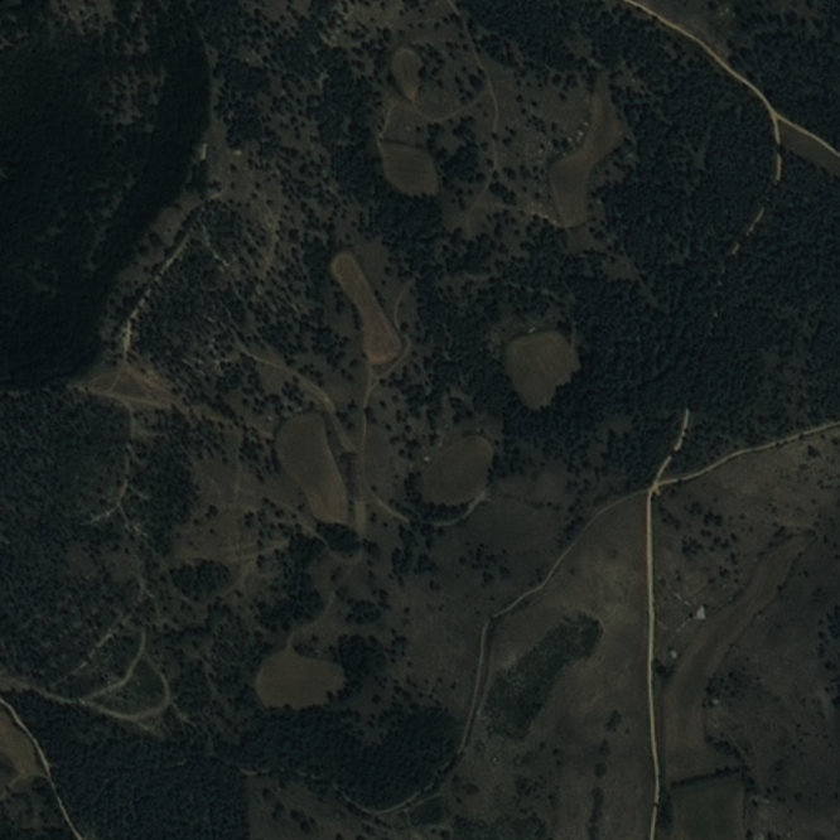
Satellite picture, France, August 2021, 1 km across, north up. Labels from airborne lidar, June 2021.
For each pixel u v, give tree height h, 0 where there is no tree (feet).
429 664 0
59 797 49
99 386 0
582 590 0
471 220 0
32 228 27
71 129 36
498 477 29
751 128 43
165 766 33
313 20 34
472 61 0
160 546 39
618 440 46
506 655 0
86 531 24
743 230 38
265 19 23
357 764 21
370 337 0
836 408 32
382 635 0
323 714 22
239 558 0
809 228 32
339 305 31
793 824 0
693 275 49
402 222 40
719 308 40
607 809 0
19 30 26
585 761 0
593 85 25
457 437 0
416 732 25
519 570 0
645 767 0
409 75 0
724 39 0
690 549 22
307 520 0
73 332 40
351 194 37
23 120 37
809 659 0
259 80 42
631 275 0
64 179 20
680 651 0
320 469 0
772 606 0
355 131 46
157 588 35
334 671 0
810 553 0
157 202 32
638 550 0
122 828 42
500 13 43
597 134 0
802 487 0
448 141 0
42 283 30
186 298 40
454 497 0
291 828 0
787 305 32
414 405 35
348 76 33
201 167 22
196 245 34
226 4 52
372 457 0
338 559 0
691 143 22
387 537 0
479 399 36
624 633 0
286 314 38
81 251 18
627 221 46
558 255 42
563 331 44
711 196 51
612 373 47
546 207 0
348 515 0
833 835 0
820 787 0
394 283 0
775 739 0
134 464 28
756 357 32
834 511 0
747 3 69
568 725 0
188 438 37
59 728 33
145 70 34
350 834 0
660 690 0
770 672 0
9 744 0
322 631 0
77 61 26
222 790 44
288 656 0
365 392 0
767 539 0
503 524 0
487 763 0
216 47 35
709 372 36
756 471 0
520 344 0
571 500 0
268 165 21
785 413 19
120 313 24
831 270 46
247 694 35
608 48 58
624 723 0
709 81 42
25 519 42
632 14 33
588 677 0
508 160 0
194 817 30
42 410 42
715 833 0
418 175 0
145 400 0
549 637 0
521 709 20
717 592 0
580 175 0
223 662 32
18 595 32
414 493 35
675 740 0
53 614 34
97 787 38
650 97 24
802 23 33
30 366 37
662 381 36
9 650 50
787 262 22
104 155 30
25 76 31
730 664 0
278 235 27
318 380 25
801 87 49
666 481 0
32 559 31
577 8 35
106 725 48
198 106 30
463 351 47
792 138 0
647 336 41
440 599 0
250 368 26
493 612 0
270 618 34
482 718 0
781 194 41
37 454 40
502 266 32
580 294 47
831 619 32
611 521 0
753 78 52
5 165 38
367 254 0
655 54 42
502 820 0
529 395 0
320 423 0
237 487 0
